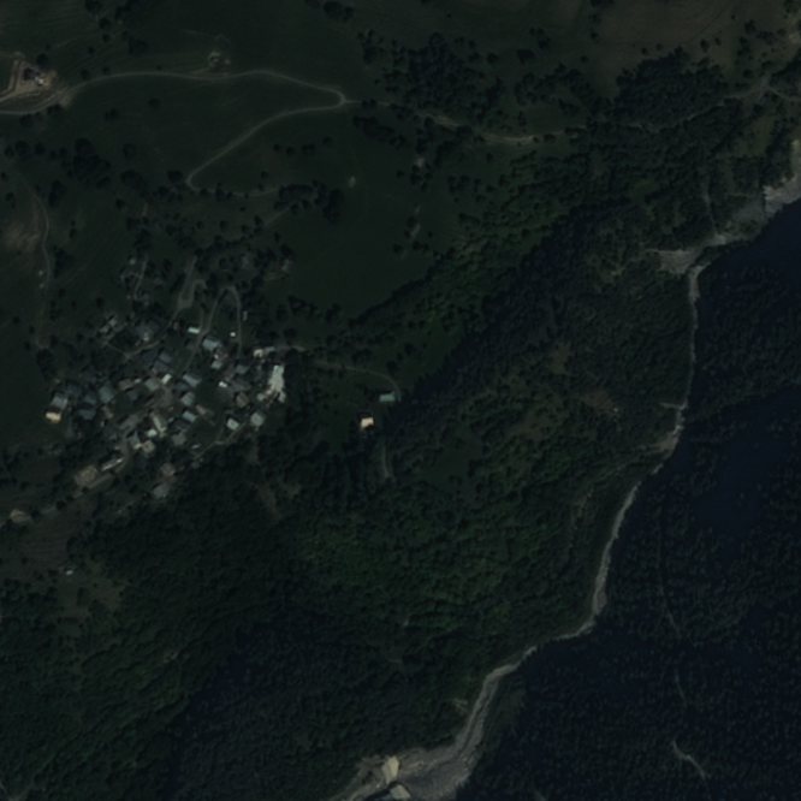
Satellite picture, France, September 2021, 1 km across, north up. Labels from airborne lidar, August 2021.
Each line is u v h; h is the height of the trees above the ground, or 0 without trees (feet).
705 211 35
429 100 38
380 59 38
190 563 67
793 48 0
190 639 45
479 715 0
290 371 44
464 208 0
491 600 47
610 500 21
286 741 53
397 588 61
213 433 0
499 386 29
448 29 0
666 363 31
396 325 42
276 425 0
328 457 70
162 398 0
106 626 40
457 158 54
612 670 49
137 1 45
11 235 0
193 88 0
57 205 55
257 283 34
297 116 0
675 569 44
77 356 33
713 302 39
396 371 55
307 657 27
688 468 41
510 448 32
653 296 20
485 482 30
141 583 38
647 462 26
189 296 0
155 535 58
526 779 61
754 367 22
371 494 29
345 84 0
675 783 37
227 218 0
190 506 64
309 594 59
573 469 48
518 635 22
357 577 61
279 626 62
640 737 61
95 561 70
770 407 59
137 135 0
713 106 52
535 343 0
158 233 0
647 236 32
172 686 65
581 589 68
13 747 66
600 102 41
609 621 19
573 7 0
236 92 0
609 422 28
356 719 48
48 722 83
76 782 62
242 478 35
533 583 46
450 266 54
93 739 35
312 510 46
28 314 0
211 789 59
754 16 0
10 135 0
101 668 43
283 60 0
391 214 0
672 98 41
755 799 72
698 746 87
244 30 0
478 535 35
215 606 67
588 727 82
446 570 54
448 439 45
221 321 0
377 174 0
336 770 46
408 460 35
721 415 27
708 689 35
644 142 50
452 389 56
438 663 52
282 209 39
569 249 54
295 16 0
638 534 72
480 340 43
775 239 0
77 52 0
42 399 0
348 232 0
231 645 88
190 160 0
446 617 47
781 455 74
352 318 0
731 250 21
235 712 51
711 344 40
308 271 0
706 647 23
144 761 60
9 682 66
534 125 0
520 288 105
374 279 0
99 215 0
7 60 0
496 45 0
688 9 0
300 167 0
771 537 78
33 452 0
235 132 0
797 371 46
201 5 0
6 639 67
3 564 39
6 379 0
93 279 0
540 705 79
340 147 0
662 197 39
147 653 44
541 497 52
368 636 58
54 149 0
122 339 22
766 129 0
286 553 96
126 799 87
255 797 64
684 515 46
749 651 29
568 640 0
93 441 46
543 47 42
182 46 0
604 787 34
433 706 53
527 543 33
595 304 40
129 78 0
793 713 94
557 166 46
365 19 0
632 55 0
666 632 51
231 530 74
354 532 28
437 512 45
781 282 74
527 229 40
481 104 38
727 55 0
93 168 62
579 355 28
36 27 0
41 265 0
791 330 73
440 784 0
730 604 44
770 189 34
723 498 20
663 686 40
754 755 69
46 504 21
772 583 70
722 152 42
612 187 61
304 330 0
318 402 48
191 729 72
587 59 27
